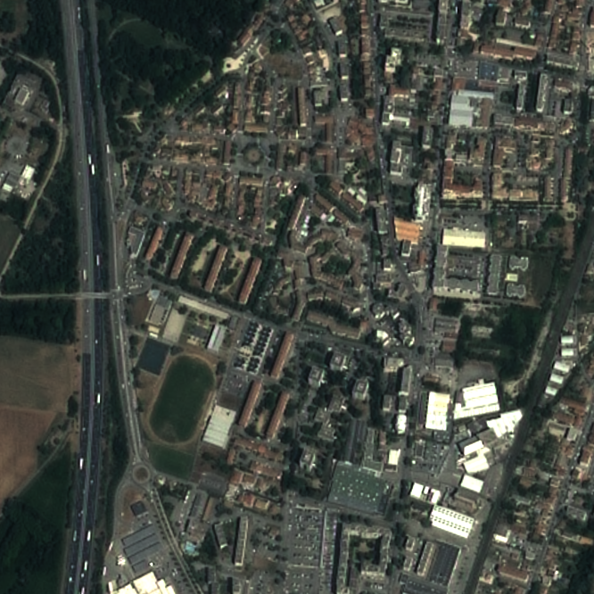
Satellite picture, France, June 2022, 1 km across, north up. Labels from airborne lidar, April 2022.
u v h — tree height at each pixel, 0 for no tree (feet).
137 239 0
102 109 0
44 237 24
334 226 26
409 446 43
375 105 26
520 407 42
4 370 0
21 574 85
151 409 0
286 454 41
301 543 0
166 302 0
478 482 0
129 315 46
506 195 0
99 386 0
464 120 0
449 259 0
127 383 0
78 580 0
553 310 21
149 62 57
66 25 0
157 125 37
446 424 0
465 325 25
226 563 0
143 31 0
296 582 0
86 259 0
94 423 0
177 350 43
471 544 0
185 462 0
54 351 0
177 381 0
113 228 0
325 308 40
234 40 54
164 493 31
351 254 0
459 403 0
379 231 0
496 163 0
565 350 0
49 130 42
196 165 0
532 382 27
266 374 30
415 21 22
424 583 0
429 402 0
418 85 0
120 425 18
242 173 31
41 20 41
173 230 33
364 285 22
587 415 0
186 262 37
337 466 0
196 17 70
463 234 0
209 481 0
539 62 45
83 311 0
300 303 0
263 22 22
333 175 0
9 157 22
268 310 35
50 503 0
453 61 0
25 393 0
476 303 24
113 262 0
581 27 0
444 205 30
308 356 31
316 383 0
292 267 0
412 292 0
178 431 0
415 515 24
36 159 0
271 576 0
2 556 47
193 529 0
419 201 0
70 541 0
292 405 37
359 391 0
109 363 21
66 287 45
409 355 0
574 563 23
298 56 0
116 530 0
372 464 0
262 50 0
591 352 20
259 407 24
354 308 0
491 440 0
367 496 0
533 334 30
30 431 0
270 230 21
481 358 45
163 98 57
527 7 0
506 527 0
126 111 45
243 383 0
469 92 0
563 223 39
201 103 42
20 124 31
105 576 0
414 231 0
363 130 0
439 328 0
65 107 24
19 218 28
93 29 0
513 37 0
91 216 0
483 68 0
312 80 0
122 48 65
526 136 23
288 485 35
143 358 0
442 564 0
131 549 0
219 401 0
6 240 0
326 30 0
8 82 34
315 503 0
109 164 0
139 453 0
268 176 0
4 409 0
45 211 44
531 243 24
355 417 40
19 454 0
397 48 32
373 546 35
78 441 0
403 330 0
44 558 67
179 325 0
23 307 52
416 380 0
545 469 0
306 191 51
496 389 28
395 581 0
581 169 51
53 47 54
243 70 0
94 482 0
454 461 0
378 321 0
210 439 0
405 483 51
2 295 29
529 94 24
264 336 0
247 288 0
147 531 0
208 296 42
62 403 0
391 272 0
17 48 80
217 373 35
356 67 25
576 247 20
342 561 0
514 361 22
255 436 31
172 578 0
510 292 0
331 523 0
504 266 0
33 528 88
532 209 25
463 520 0
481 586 0
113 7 55
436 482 0
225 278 35
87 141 0
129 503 0
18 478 0
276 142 0
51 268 67
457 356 51
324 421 0
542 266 0
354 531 0
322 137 29
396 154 0
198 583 19
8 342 0
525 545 0
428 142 0
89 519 0
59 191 28
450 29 0
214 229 28
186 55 66
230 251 30
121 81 74
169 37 49
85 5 25
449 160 0
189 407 0
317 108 36
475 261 0
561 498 0
